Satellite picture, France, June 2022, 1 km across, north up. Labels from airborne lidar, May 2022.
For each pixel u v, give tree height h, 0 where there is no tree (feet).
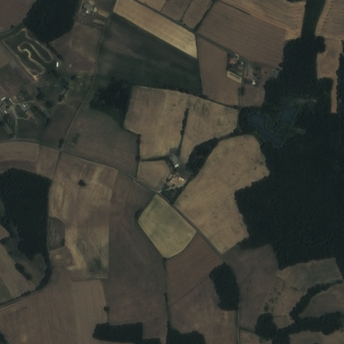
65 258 0
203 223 0
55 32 40
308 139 54
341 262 58
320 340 0
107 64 0
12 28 41
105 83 0
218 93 0
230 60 0
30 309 0
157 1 0
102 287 0
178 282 0
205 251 0
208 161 0
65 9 41
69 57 0
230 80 0
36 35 29
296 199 59
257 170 0
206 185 0
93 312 0
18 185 57
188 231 0
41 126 0
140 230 0
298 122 42
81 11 0
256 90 0
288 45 22
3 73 0
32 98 0
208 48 0
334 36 0
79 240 0
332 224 67
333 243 57
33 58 0
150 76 0
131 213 0
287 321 0
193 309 0
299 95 37
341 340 0
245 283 0
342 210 66
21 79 0
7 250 0
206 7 0
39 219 49
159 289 0
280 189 70
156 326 0
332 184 58
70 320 0
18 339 0
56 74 22
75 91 0
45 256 44
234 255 0
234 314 0
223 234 0
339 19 0
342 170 21
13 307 0
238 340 0
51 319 0
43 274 0
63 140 33
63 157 0
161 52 0
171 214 0
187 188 0
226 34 0
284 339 68
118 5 0
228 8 0
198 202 0
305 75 63
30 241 65
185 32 0
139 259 0
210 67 0
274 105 37
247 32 0
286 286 0
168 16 0
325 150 61
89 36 0
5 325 0
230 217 0
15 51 0
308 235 42
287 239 73
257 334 44
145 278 0
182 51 0
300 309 68
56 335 0
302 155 43
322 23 0
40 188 50
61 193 0
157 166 0
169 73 0
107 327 47
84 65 0
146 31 0
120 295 0
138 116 0
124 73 0
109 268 0
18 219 65
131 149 0
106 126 0
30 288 0
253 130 55
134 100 0
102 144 0
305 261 63
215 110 0
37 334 0
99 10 0
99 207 0
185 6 0
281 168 53
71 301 0
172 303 0
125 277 0
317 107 57
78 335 0
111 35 0
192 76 0
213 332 0
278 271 0
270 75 0
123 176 0
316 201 52
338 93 41
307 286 0
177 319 0
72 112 0
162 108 0
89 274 0
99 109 0
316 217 69
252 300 0
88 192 0
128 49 0
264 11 0
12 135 35
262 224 53
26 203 59
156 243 0
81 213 0
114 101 30
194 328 0
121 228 0
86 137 0
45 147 0
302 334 0
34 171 0
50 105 32
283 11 0
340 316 40
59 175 0
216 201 0
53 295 0
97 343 0
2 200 28
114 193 0
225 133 0
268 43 0
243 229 0
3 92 0
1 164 0
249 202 62
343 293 0
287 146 47
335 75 0
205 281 0
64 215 0
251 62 0
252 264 0
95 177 0
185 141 0
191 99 0
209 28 0
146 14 0
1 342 30
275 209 50
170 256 0
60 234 0
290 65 64
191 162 32
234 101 0
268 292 0
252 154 0
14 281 0
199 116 0
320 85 64
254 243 36
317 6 19
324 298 0
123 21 0
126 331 44
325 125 57
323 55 0
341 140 52
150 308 0
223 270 45
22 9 0
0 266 0
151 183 0
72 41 0
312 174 57
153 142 0
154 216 0
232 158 0
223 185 0
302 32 42
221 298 46
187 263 0
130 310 0
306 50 89
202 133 0
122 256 0
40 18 24
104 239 0
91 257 0
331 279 0
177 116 0
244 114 31
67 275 0
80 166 0
